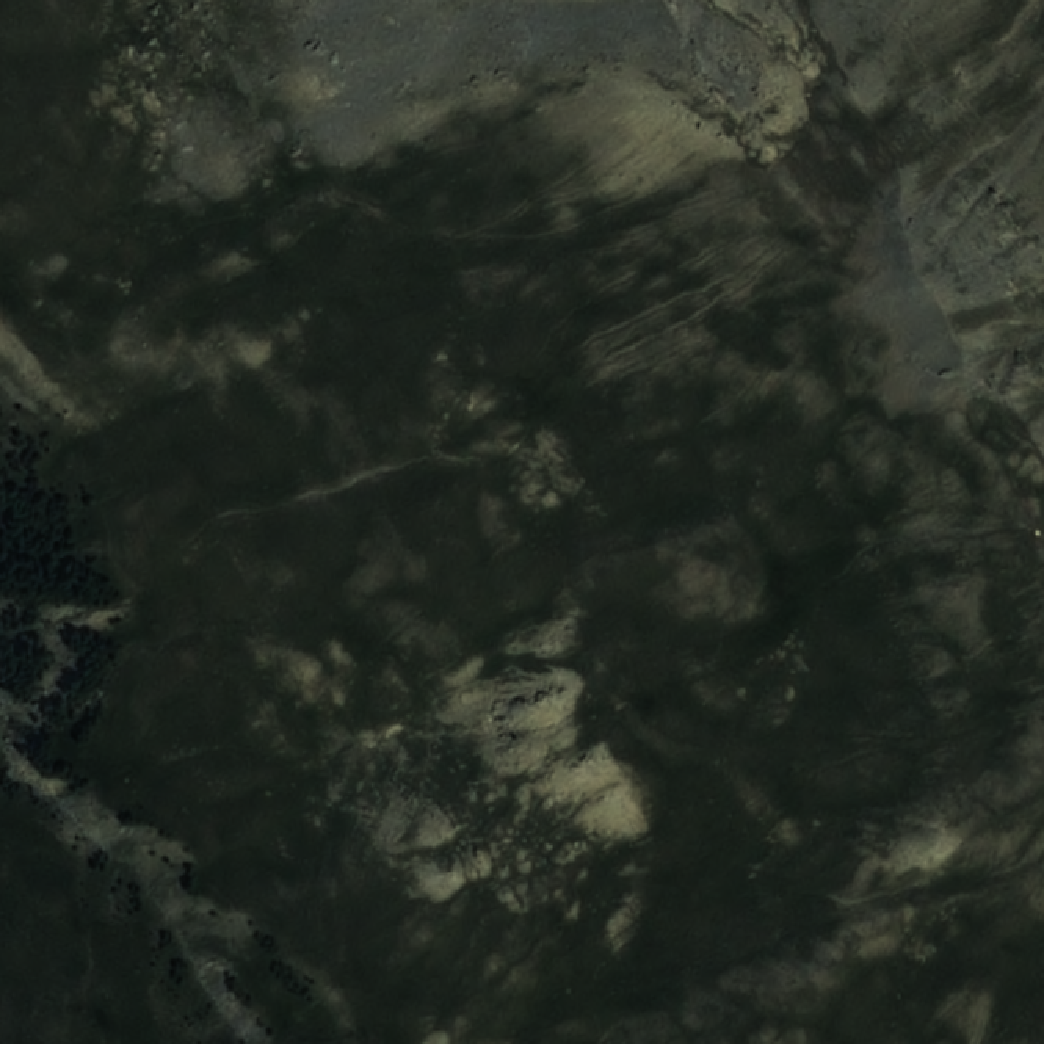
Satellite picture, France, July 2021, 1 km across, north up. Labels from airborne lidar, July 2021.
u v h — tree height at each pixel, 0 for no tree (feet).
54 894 0
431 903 0
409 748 0
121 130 0
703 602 0
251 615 0
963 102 0
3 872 0
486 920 0
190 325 0
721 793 0
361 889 0
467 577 0
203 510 0
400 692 0
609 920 0
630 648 0
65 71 0
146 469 0
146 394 0
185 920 0
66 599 59
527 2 0
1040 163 0
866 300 0
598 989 0
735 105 0
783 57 0
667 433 0
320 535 0
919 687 0
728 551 0
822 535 0
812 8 0
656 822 0
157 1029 0
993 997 0
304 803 0
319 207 0
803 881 0
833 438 0
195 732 0
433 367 0
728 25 0
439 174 0
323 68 0
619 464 0
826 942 0
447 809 0
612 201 0
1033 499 0
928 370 0
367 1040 0
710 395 0
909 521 0
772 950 0
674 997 0
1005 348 0
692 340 0
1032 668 0
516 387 0
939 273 0
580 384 0
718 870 0
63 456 0
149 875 0
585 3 0
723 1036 0
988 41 0
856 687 0
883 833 0
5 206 0
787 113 0
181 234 0
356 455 0
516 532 0
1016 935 0
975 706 0
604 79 0
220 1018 0
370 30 0
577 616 0
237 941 0
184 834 0
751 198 0
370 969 0
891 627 0
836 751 0
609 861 0
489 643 0
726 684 0
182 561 0
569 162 0
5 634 24
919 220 0
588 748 0
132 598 0
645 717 0
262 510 0
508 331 0
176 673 0
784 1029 0
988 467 0
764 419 0
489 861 0
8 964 0
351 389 0
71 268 0
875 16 0
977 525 0
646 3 0
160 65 0
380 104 0
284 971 28
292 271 0
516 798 0
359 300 0
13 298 0
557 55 0
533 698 0
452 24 0
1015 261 0
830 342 0
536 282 0
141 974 0
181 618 0
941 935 0
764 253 0
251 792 0
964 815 0
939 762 0
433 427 0
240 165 0
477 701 0
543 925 0
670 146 0
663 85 0
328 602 0
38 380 0
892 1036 0
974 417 0
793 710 0
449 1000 0
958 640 0
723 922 0
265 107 0
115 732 0
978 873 0
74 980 0
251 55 0
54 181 0
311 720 0
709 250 0
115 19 0
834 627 0
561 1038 0
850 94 0
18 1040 0
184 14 0
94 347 0
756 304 0
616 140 0
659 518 0
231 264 0
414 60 0
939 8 0
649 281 0
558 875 0
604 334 0
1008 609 0
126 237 0
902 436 0
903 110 0
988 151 0
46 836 0
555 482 0
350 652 0
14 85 0
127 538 0
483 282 0
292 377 0
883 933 0
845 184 0
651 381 0
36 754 44
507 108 0
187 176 0
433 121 0
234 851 0
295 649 0
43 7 0
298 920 0
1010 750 0
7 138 0
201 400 0
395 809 0
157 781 0
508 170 0
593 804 0
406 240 0
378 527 0
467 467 0
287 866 0
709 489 0
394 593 0
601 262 0
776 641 0
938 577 0
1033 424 0
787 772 0
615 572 0
